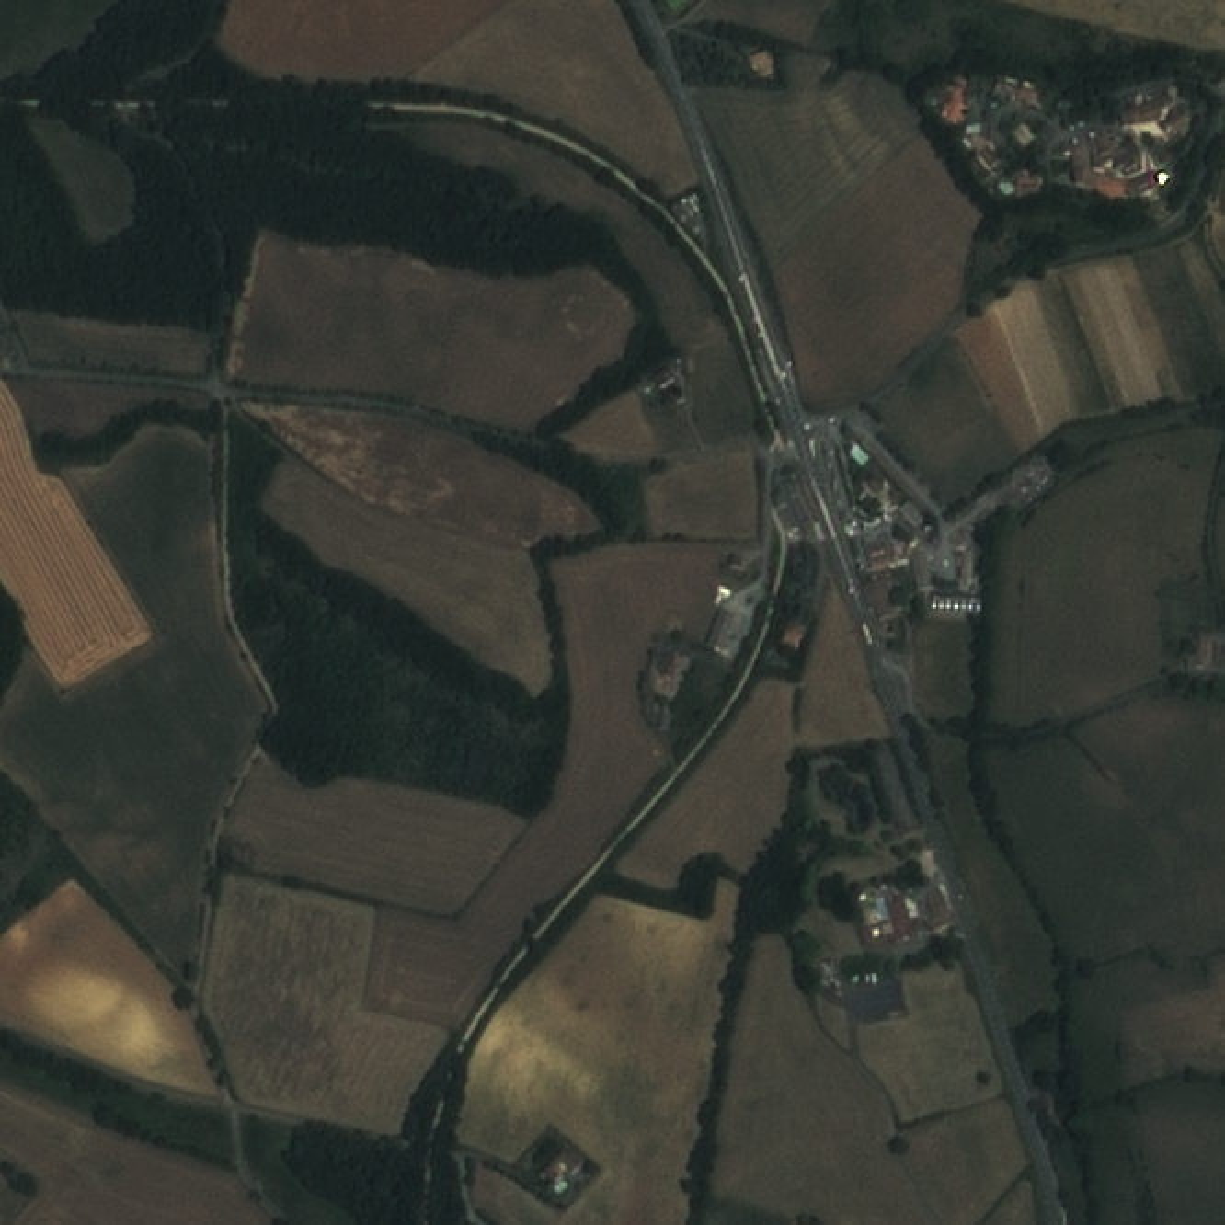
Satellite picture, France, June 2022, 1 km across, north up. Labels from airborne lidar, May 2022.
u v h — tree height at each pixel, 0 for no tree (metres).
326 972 0
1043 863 0
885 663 0
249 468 7
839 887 12
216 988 0
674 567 0
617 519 10
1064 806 0
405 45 0
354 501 0
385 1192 24
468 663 12
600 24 0
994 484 16
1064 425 5
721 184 0
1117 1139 0
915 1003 0
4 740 0
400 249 12
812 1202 0
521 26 0
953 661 0
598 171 8
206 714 0
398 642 13
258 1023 0
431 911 0
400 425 0
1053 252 21
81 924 0
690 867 10
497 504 0
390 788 0
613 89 0
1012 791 0
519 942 7
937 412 0
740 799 0
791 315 0
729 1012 13
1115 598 0
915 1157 0
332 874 0
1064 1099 14
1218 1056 0
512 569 0
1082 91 7
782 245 0
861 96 0
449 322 0
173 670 0
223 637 0
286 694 11
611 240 13
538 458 11
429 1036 0
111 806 0
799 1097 0
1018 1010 0
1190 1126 0
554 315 0
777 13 0
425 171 21
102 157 0
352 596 13
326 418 0
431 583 0
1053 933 11
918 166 0
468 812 0
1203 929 0
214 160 15
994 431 0
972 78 9
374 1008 0
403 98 9
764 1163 0
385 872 0
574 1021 0
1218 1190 0
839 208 0
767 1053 0
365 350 0
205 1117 0
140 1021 0
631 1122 0
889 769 0
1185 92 12
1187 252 0
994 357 0
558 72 0
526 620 0
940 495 6
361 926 0
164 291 12
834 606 0
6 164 19
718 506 0
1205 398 12
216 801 0
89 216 0
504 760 10
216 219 10
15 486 0
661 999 0
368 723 7
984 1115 0
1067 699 0
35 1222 0
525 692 11
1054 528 0
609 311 0
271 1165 0
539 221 21
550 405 0
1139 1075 0
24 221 6
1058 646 0
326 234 13
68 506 0
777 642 9
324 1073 0
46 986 0
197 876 0
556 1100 0
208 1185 0
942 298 0
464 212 21
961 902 0
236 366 0
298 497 0
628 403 0
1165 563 0
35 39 0
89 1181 0
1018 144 7
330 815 0
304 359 0
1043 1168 0
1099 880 0
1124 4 0
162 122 7
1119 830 0
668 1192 0
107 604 0
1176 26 0
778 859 18
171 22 19
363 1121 0
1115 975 0
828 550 0
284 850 0
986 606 15
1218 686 7
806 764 8
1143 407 8
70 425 0
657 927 0
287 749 18
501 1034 0
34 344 0
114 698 0
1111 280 0
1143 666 0
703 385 0
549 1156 11
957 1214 0
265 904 0
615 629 0
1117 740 0
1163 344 0
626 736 0
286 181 17
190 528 0
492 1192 0
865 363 0
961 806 0
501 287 0
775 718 0
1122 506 0
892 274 0
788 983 0
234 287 13
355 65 0
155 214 16
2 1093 0
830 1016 0
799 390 0
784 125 0
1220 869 0
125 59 19
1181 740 0
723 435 0
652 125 0
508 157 0
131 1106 0
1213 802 0
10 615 14
